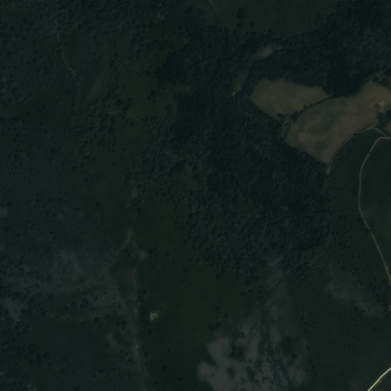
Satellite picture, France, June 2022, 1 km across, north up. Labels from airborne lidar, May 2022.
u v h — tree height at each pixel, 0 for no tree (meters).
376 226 0
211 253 17
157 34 0
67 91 9
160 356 0
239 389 0
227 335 0
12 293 6
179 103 7
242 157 21
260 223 11
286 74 13
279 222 14
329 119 0
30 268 0
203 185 12
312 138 0
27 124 10
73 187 0
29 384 11
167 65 15
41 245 0
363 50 13
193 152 17
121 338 0
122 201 0
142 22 12
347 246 8
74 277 0
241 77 0
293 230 17
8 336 8
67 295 0
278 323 0
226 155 22
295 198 9
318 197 17
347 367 0
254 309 0
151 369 0
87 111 12
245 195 13
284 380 0
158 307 0
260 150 11
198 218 17
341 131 0
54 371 0
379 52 9
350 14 28
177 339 0
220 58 15
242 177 12
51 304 0
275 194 13
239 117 13
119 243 0
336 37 26
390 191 0
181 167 17
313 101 0
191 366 0
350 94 17
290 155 15
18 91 8
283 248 12
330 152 0
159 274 0
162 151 15
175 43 0
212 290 0
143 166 16
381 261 0
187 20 11
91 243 0
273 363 0
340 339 0
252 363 0
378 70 12
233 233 10
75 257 0
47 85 8
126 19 15
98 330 0
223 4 0
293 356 11
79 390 13
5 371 8
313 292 0
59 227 0
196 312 0
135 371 0
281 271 0
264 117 12
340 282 0
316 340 0
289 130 0
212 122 16
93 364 0
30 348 13
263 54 0
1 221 0
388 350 0
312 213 18
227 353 0
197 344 0
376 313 0
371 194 0
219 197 19
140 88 0
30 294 10
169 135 10
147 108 0
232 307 0
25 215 0
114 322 0
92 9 31
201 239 15
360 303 0
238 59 16
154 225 0
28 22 9
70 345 0
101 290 0
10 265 7
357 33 14
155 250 11
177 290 0
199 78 20
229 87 16
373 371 0
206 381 0
